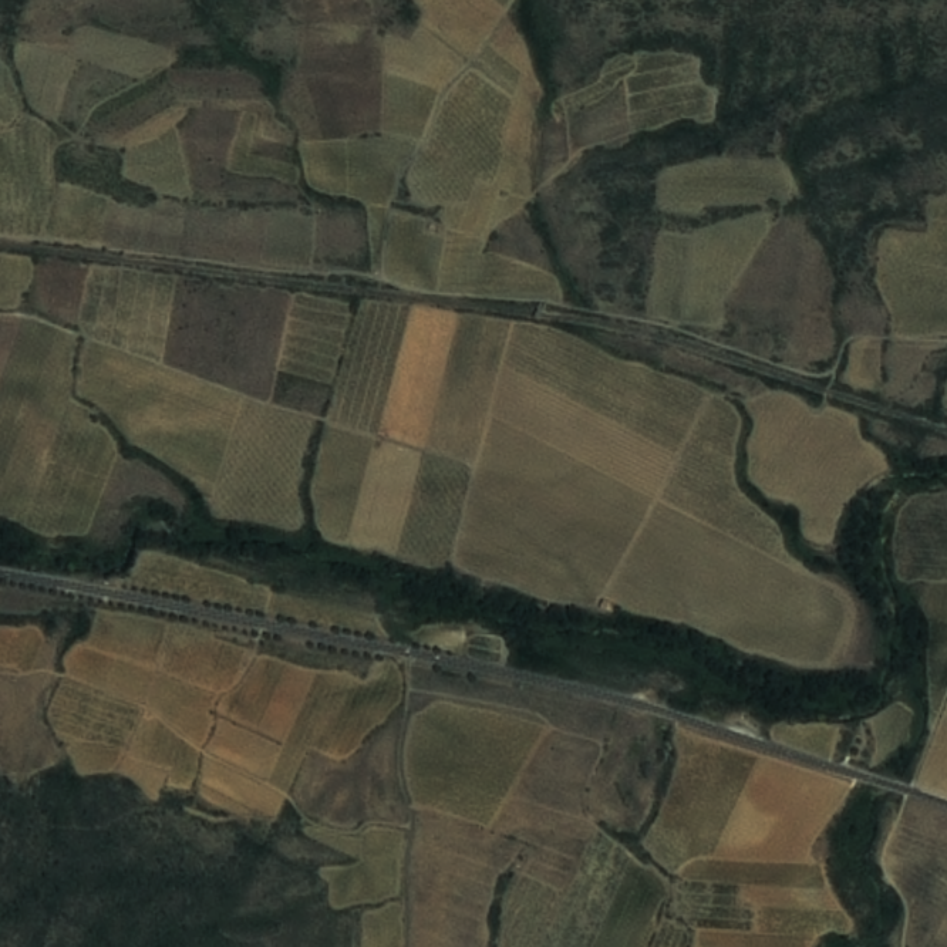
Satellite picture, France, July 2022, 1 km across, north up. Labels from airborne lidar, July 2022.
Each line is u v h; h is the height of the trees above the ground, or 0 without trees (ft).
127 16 0
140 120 0
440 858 0
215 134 0
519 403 0
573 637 44
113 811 0
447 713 0
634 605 0
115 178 0
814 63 0
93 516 0
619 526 0
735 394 18
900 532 0
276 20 0
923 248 0
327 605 0
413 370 0
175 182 0
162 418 0
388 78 0
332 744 0
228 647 0
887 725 0
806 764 0
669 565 0
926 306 0
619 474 0
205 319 0
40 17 0
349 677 0
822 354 0
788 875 0
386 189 0
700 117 0
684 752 0
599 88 0
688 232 0
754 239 0
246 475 0
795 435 0
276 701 0
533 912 0
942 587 0
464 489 0
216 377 0
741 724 0
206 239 0
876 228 0
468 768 0
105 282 0
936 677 0
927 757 0
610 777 0
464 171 0
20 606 0
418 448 0
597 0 0
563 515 0
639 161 0
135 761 0
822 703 27
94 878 0
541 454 0
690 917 0
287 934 0
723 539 0
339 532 0
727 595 0
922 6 0
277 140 0
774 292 0
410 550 0
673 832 0
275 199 0
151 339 0
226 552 28
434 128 0
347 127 0
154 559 0
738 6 0
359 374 0
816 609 0
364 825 0
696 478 0
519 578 0
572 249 0
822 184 0
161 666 0
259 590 0
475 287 0
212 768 0
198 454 0
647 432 0
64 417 0
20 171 0
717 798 0
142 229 0
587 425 0
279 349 0
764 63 0
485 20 0
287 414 0
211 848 0
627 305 0
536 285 0
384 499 0
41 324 0
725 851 0
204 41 0
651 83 0
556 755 0
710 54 0
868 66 0
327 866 0
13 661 0
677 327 0
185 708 0
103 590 0
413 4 23
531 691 0
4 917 19
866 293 0
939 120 0
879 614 23
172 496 0
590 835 0
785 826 0
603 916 0
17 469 0
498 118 0
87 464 0
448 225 0
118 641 0
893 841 0
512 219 0
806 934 0
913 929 0
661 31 0
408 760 0
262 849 20
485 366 0
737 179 0
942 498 0
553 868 0
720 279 0
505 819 0
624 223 0
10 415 0
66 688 0
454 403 0
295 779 0
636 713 0
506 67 0
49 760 0
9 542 60
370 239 0
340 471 0
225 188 0
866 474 0
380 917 0
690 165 0
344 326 0
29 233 0
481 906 0
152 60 0
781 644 0
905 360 0
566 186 0
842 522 22
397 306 0
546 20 0
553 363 0
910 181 0
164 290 0
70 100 0
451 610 24
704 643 21
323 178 0
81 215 0
